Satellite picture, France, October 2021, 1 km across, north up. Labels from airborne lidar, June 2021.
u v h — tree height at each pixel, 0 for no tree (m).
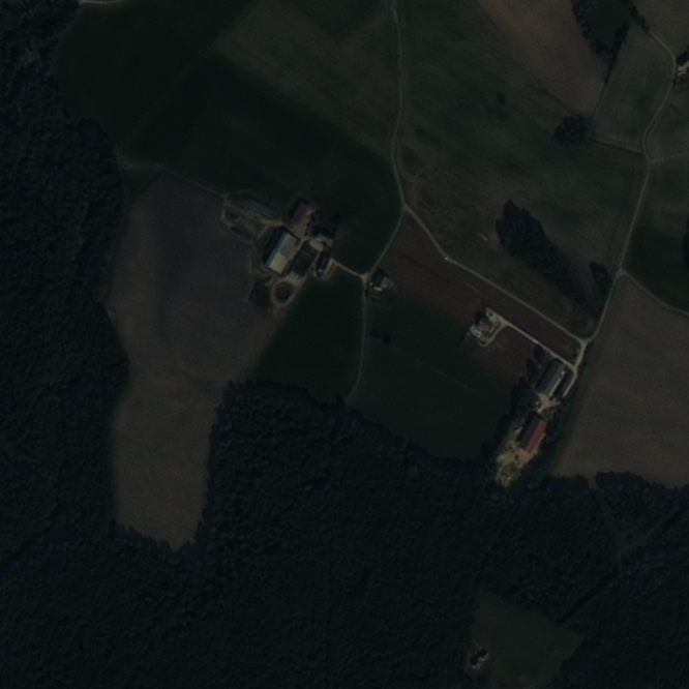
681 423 0
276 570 24
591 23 0
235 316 0
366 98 0
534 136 0
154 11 0
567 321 0
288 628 23
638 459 0
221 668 23
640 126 0
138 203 0
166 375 0
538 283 0
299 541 24
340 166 0
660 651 22
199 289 0
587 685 22
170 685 23
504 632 0
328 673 21
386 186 0
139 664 23
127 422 0
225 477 20
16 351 17
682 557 18
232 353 0
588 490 18
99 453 21
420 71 0
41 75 17
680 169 0
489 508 21
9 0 0
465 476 20
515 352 0
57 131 17
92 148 25
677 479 0
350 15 0
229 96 0
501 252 0
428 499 24
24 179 21
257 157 0
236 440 21
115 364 23
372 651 28
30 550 22
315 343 0
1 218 19
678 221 0
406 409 0
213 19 0
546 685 0
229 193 0
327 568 20
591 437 0
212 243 0
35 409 18
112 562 24
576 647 0
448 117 0
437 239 0
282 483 19
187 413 0
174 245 0
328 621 20
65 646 27
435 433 0
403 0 0
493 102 0
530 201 0
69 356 20
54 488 14
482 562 21
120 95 0
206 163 0
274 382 0
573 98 0
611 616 21
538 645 0
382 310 0
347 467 24
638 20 14
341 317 0
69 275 22
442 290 0
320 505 24
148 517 0
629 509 19
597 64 0
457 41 0
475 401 0
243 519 23
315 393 0
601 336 0
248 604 25
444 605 24
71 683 26
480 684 0
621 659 24
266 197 0
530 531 24
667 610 20
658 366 0
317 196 0
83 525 25
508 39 0
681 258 0
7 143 21
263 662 25
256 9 0
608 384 0
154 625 23
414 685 24
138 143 0
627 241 0
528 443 0
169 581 18
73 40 0
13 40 25
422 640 25
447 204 0
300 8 0
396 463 27
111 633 22
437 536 23
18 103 20
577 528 22
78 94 0
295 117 0
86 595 23
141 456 0
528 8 0
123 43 0
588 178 0
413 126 0
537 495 22
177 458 0
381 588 24
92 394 23
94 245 21
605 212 0
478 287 0
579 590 20
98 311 14
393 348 12
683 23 0
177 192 0
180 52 0
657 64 0
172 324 0
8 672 25
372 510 25
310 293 0
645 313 0
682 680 27
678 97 0
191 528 0
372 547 23
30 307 24
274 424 18
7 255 13
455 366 0
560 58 0
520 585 12
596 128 0
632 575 14
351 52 0
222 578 24
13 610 22
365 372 0
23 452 17
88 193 23
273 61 0
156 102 0
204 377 0
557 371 0
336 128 0
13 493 20
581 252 0
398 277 0
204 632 22
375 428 0
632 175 0
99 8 0
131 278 0
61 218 18
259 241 0
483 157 0
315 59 0
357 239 0
